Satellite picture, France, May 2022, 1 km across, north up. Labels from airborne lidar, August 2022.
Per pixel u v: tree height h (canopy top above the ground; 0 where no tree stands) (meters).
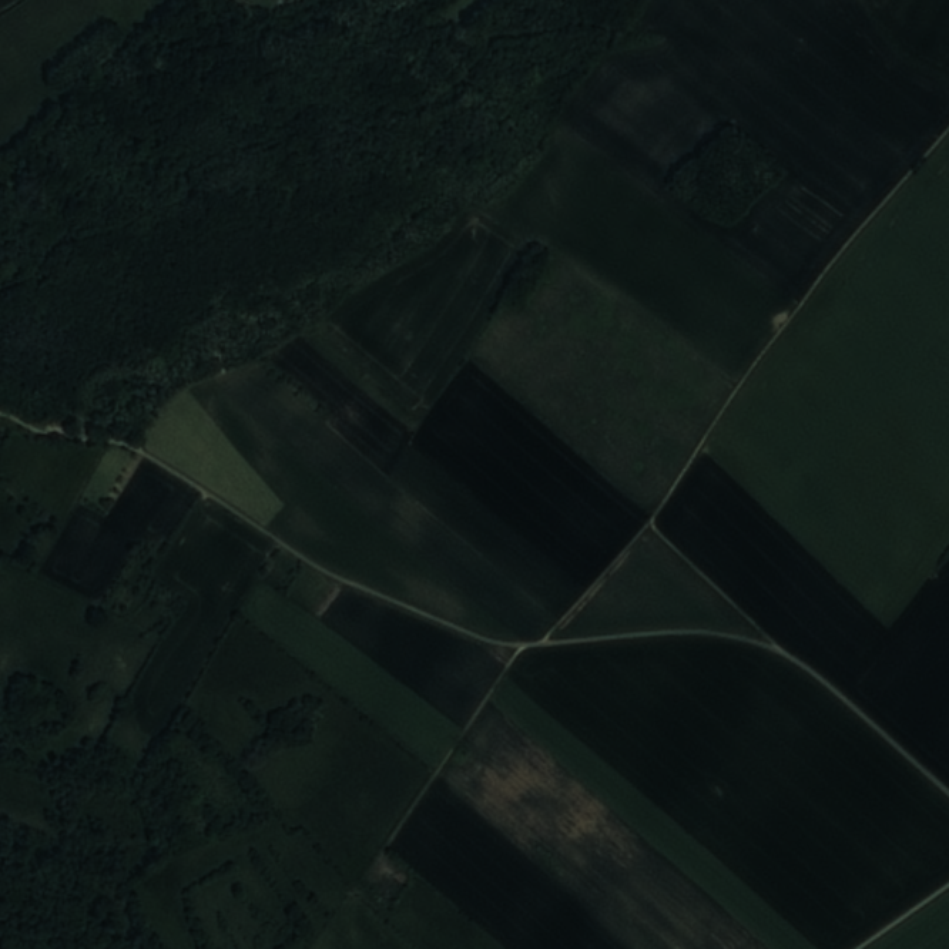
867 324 0
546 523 0
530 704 0
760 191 14
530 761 0
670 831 0
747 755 0
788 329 0
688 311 0
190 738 10
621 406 0
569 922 0
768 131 0
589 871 0
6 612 0
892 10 0
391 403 0
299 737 12
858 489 0
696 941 0
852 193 0
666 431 0
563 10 16
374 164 18
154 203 17
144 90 18
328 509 0
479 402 0
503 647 0
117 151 21
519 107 13
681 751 0
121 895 14
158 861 26
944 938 0
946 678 0
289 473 0
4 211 16
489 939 0
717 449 0
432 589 0
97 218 15
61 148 20
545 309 0
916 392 0
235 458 0
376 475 0
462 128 11
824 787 0
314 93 15
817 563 0
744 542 0
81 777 16
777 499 0
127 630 0
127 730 0
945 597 0
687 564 0
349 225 11
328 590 0
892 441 0
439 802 0
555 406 0
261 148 12
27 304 12
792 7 0
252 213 11
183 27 21
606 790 0
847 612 0
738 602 0
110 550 0
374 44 16
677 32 0
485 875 0
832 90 0
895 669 0
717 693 0
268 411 0
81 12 0
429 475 0
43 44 0
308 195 15
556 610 0
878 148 0
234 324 20
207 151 14
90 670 0
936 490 0
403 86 17
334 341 0
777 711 0
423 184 13
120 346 10
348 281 19
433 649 0
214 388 0
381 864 0
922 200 0
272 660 0
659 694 0
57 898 21
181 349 19
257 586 0
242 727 0
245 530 0
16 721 21
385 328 0
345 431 0
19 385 10
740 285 0
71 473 0
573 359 0
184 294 9
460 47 17
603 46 12
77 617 0
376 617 0
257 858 9
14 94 0
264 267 9
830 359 0
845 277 0
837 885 0
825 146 0
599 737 0
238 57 21
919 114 0
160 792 13
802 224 0
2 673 0
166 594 7
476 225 0
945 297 0
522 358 0
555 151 0
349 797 0
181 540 0
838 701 0
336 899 0
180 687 0
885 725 0
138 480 0
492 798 0
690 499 0
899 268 0
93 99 23
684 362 0
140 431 17
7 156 15
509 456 0
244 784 13
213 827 13
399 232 16
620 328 0
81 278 11
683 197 18
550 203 0
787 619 0
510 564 0
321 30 21
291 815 0
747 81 0
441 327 0
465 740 0
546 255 20
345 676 0
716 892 0
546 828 0
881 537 0
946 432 0
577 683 0
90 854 12
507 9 21
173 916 0
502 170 17
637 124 0
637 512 0
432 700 0
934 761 0
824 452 0
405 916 0
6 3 0
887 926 0
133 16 0
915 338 0
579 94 0
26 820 0
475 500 0
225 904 0
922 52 0
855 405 0
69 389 17
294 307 20
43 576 0
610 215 0
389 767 0
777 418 0
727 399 0
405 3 18
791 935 0
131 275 11
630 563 0
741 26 0
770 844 0
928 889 0
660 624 0
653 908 0
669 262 0
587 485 0
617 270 0
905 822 0
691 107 0
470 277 0
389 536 0
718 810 0
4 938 18
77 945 19
